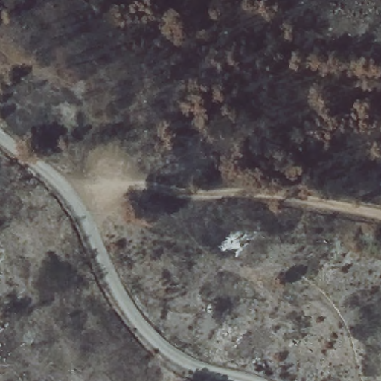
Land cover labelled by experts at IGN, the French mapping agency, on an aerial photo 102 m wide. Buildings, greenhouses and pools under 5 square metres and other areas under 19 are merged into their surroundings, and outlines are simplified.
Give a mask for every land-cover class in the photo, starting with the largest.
<instances>
[{"label":"bare soil","instance_id":"1","mask_svg":"<svg viewBox=\"0 0 381 381\"><path fill-rule=\"evenodd\" d=\"M121 0H0V128L10 137H18L25 141L30 152L39 156L40 161L51 165L67 182L70 179H85L86 174L103 158L124 161L122 174L128 179L146 182V189H128V192H125L127 199L122 202L125 207L124 225H113L118 235H107L104 247L132 307L138 311L141 318L165 342L182 351L186 357L207 363L201 371H190L168 359L158 348L153 347L149 350L144 347L143 342L138 339L137 329L129 326L124 311L113 298L103 269L97 262V252L89 244L88 235L83 231L82 223L74 214L71 205L54 186L46 183L40 174L28 173L27 165L19 164L12 153L0 146V381H231L226 375L208 371L210 366L266 378L268 381H381V217L374 219L360 214L311 208L308 205L299 207L287 204L283 199L241 196H223L219 199L177 198L171 190L173 185L186 188L195 185L202 190L219 189L222 185V174L219 170L220 155L217 147L208 143L207 137L195 128L193 113H183L180 109L189 97L186 91L188 83L177 77L174 83L150 89L149 85L143 83L141 67L134 63H125L118 43L109 39L107 33L112 22L101 18L109 12L113 4H118ZM205 0H150L153 15L164 16L168 10H176V21L182 27L183 34L208 30L211 45L220 48H225L231 40L243 36L249 28L259 27L262 16L259 13L253 15L229 9L223 18L217 21L208 15V7L204 6ZM284 18L298 28L304 48L310 49L318 45L338 46V61L341 63H351L365 58L366 55L381 60V0H284ZM283 189L286 190L284 195L289 198L308 199V196H318L317 190L308 188L307 185L286 186Z\"/></svg>","mask_w":381,"mask_h":381},{"label":"coniferous trees","instance_id":"2","mask_svg":"<svg viewBox=\"0 0 381 381\"><path fill-rule=\"evenodd\" d=\"M204 6L208 7V15L217 21L223 18L229 9L253 15L259 13L262 16L259 27L249 28L243 36L231 40L225 48H220L211 45L208 30L183 34L182 27L176 21V10H168L164 16L153 15L150 0H121L118 4H113L109 12L101 18L112 22L107 33L109 39L118 43L125 63H134L141 67L143 83L149 85L150 89L174 83L177 77L188 83L186 91L189 97L180 109L183 113H193L195 128L207 137L208 143L217 147L220 155L219 170L222 174V185L219 189L246 186L252 190L268 189V193H277L283 189L286 186L307 185L308 188L317 190L318 196L335 201L356 202L360 205L365 202L369 207H378L381 210V60L366 55L365 58L351 63H341L338 61V46L318 45L310 49L304 48L298 28L284 18V0H205Z\"/></svg>","mask_w":381,"mask_h":381},{"label":"pervious surface","instance_id":"3","mask_svg":"<svg viewBox=\"0 0 381 381\"><path fill-rule=\"evenodd\" d=\"M0 146L12 153L19 164L27 165L28 173L40 174L46 183L54 186L71 205L74 214L82 223L83 231L88 235L89 244L97 252V262L103 269L113 298L124 311L129 326L137 329L138 339L143 342L144 347L149 350L153 347L158 348L168 359L190 371H201L207 363L186 357L182 351L165 342L141 318L138 311L132 307L104 247L107 235H118L113 225H124L125 207L122 202L127 199L125 192H128V189H146V182L128 179L122 174L124 161L103 158L86 174L85 179H70L67 182L51 165L40 161L39 156L30 152L25 141L18 137H10L0 128ZM171 190L177 198L219 199L223 196H241L283 199L287 204L299 207L308 205L311 208L360 214L374 219L381 217V210L378 207H369L365 202L360 205L356 202L335 201L318 196H308V199L289 198L284 195L286 190L283 189L277 193H268V189L252 190L246 186L219 189L202 190L195 185L186 188L173 185ZM208 371L226 375L231 381H268L266 378L210 366Z\"/></svg>","mask_w":381,"mask_h":381}]
</instances>
